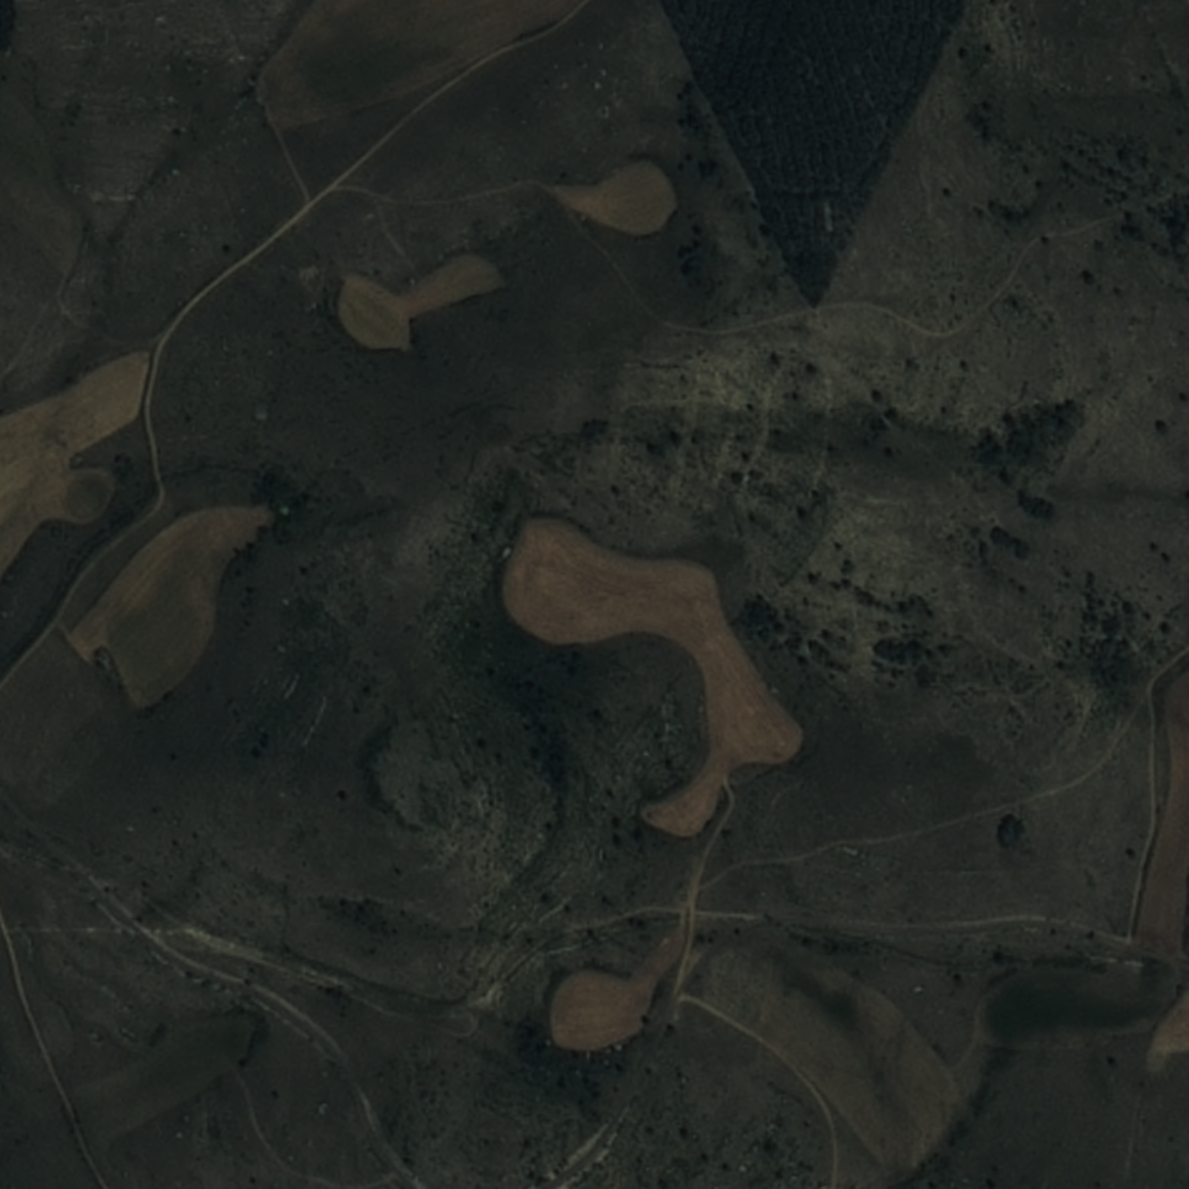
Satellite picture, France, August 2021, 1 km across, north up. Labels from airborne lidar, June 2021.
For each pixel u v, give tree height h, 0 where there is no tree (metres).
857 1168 0
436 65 0
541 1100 0
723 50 14
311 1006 0
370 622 0
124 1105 0
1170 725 0
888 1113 0
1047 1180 0
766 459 0
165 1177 0
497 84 0
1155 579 0
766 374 0
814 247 10
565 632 0
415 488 0
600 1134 0
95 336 0
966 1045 0
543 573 0
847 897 0
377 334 0
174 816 0
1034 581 0
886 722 0
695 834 0
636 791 0
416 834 0
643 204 0
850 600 0
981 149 0
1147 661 0
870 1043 0
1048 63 0
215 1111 0
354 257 0
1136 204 0
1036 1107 0
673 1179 0
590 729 0
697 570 0
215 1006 0
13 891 0
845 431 0
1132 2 0
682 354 0
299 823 0
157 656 0
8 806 0
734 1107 0
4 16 14
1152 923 0
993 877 0
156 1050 0
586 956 0
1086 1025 0
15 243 0
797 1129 0
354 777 0
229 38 0
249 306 0
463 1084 0
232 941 0
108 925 0
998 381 0
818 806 0
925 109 0
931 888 0
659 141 0
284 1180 0
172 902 0
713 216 0
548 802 0
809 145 10
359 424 0
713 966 0
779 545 0
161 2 0
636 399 0
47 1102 0
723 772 0
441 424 0
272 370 0
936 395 0
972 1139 0
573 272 0
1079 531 0
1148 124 0
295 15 0
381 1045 0
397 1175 0
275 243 0
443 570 0
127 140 0
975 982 0
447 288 0
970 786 0
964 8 7
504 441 0
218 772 0
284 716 0
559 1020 0
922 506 0
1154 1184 0
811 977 0
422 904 0
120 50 0
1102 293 0
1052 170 0
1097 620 10
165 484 0
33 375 0
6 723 0
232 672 0
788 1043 0
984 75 0
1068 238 0
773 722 0
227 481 0
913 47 12
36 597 0
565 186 0
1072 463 0
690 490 0
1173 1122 0
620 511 0
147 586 0
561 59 0
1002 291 0
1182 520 0
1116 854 0
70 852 0
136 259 0
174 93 0
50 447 0
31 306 0
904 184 0
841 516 0
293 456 0
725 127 12
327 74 0
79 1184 0
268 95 0
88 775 0
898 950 0
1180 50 0
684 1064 0
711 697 0
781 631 9
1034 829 0
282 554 0
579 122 0
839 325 0
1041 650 0
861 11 12
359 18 0
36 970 0
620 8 0
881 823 0
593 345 0
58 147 0
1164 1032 0
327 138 0
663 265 0
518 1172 0
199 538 0
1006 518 0
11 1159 0
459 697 0
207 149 0
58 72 0
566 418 0
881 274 0
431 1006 0
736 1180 0
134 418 0
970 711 0
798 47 12
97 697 0
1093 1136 0
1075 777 0
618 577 0
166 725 0
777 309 0
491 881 0
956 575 0
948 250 0
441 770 0
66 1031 0
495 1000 0
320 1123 0
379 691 0
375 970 0
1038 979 0
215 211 0
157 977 0
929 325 0
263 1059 0
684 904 0
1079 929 0
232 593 0
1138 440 0
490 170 0
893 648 9
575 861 0
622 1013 0
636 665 0
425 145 0
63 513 0
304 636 0
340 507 0
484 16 0
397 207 0
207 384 0
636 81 0
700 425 0
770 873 0
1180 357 0
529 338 0
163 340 0
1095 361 0
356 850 0
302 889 0
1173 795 0
